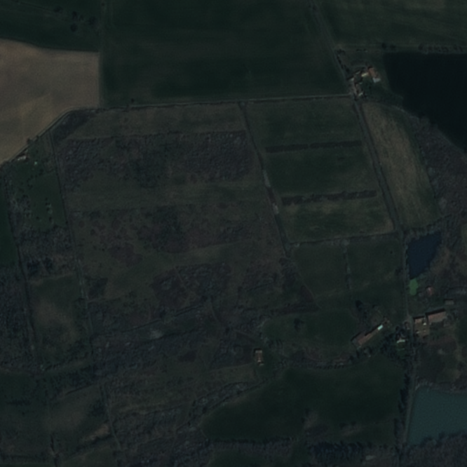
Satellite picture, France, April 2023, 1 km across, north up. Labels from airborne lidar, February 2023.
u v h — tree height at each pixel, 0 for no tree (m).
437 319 0
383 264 0
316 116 0
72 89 0
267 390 0
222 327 0
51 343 0
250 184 0
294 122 0
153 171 0
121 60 0
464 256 0
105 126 0
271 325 0
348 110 0
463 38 0
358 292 0
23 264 16
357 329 0
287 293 0
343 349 0
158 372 0
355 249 0
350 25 0
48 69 0
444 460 16
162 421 10
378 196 0
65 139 0
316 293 0
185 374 0
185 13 0
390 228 0
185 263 0
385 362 0
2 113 0
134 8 0
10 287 23
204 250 0
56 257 17
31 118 0
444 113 0
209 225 0
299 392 0
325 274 0
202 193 0
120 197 0
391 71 0
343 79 0
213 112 0
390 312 0
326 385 0
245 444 17
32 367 6
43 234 9
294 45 0
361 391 0
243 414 0
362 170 0
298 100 0
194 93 0
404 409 13
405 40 0
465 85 0
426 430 0
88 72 0
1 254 0
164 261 0
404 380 0
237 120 0
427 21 0
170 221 0
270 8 0
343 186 0
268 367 0
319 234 0
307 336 0
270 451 18
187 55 0
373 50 0
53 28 0
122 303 0
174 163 0
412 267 0
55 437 10
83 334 0
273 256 0
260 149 0
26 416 0
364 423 0
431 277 14
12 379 0
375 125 0
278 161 0
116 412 0
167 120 0
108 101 0
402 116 0
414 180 0
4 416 0
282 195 0
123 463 17
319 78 0
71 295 0
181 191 0
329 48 0
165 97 0
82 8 0
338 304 0
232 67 0
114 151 0
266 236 0
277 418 0
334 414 0
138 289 0
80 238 0
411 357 13
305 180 0
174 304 0
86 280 0
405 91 0
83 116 0
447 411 0
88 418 0
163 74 0
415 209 0
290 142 0
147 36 0
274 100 0
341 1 0
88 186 0
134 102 10
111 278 0
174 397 0
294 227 0
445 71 0
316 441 0
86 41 0
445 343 0
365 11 0
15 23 0
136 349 6
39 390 0
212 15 0
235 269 0
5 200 0
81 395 0
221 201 0
